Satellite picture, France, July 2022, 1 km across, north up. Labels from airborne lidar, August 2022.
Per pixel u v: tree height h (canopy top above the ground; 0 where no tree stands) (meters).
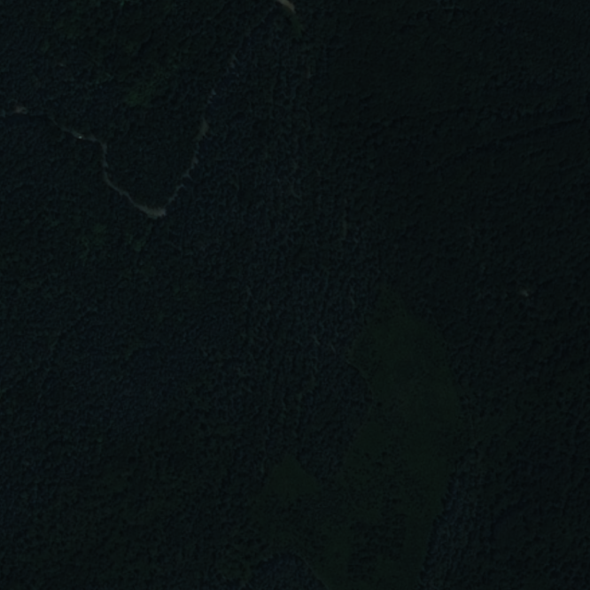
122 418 27
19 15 18
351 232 11
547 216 20
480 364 17
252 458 17
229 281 25
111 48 20
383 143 19
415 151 29
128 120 11
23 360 19
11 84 22
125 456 15
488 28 21
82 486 19
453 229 17
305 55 13
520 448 10
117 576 6
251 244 18
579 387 7
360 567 7
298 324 16
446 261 20
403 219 20
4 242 17
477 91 25
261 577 18
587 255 10
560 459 25
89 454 16
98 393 18
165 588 22
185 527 19
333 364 16
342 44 19
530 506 27
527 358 22
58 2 20
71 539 8
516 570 18
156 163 20
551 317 7
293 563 22
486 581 22
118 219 21
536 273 23
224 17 21
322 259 22
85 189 17
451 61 27
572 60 18
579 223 17
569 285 21
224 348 21
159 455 20
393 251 13
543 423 7
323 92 17
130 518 7
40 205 22
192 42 22
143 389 25
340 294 15
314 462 15
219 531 13
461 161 26
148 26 19
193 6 17
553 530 16
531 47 22
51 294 18
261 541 14
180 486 7
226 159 24
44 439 22
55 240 23
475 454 14
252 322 18
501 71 16
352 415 18
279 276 11
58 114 23
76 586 17
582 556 10
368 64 25
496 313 19
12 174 27
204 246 14
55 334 18
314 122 17
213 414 16
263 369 12
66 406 15
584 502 24
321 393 19
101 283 15
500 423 8
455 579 14
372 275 13
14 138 26
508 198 20
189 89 23
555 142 29
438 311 26
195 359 20
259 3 22
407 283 16
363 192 20
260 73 17
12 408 16
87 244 20
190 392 12
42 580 10
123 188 19
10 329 24
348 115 20
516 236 23
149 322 18
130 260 22
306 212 14
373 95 23
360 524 7
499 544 24
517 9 30
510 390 14
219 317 24
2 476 22
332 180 14
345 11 23
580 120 24
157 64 14
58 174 17
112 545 6
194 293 14
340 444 14
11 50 16
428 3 26
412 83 22
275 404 14
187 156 16
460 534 22
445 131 22
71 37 15
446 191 23
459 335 19
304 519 8
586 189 18
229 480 16
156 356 25
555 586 12
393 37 22
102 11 19
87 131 24
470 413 10
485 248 23
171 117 24
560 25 26
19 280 18
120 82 21
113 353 16
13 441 22
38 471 22
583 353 8
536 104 13
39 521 6
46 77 26
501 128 23
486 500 8
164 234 16
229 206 24
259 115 18
